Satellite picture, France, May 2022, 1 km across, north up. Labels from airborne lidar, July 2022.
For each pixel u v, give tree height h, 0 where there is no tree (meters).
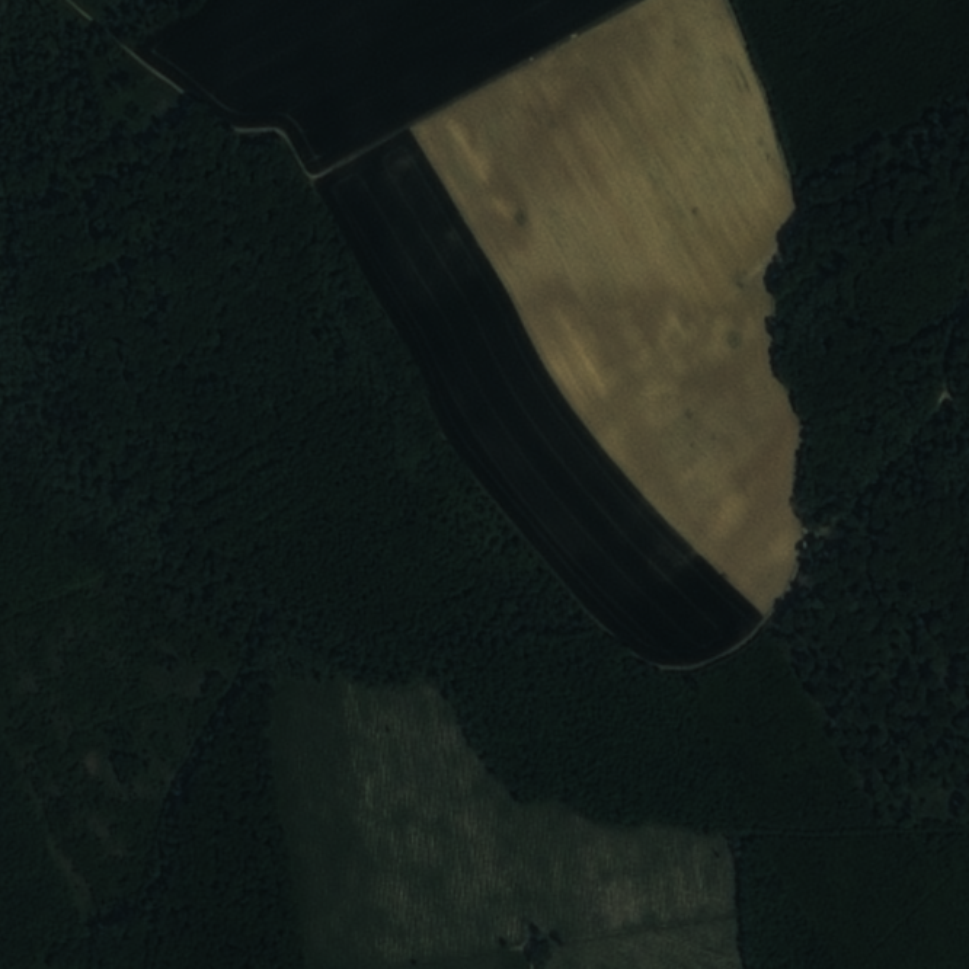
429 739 0
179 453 23
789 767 9
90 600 6
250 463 20
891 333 9
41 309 32
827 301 23
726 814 21
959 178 24
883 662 26
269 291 27
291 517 20
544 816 0
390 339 25
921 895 6
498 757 23
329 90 0
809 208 28
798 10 8
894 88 9
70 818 10
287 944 23
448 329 0
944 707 24
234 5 0
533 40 0
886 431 27
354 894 0
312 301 28
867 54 9
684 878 0
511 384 0
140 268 23
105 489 17
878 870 7
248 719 19
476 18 0
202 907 22
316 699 0
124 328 26
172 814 18
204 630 10
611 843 0
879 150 26
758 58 11
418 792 0
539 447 0
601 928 0
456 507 9
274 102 0
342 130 0
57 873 21
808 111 11
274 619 27
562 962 0
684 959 0
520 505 0
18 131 19
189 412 25
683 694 8
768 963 20
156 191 26
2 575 19
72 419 32
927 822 10
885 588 23
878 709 28
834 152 9
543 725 22
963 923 6
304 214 22
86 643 6
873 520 32
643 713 19
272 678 19
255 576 18
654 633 0
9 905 20
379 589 18
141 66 0
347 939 0
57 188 30
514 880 0
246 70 0
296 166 21
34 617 7
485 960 0
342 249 25
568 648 21
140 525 27
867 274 8
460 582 20
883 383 24
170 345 26
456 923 0
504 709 19
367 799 0
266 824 22
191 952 22
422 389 24
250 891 24
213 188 25
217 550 18
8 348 29
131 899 7
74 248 34
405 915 0
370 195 0
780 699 9
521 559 9
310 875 0
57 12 6
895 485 27
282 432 18
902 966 6
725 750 10
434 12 0
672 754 22
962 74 9
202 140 27
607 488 0
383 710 0
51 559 20
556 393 0
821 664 26
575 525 0
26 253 31
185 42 0
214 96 0
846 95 10
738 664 9
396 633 20
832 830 11
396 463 24
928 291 8
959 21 6
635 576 0
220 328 21
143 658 8
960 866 7
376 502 17
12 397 7
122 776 15
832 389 22
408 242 0
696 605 0
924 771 25
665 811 22
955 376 24
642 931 0
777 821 12
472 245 0
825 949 14
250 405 27
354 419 18
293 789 0
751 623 0
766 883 18
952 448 26
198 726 7
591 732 19
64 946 22
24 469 31
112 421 31
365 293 23
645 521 0
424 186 0
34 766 8
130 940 28
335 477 19
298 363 27
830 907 7
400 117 0
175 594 25
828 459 23
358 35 0
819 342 23
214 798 24
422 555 18
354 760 0
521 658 22
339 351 15
